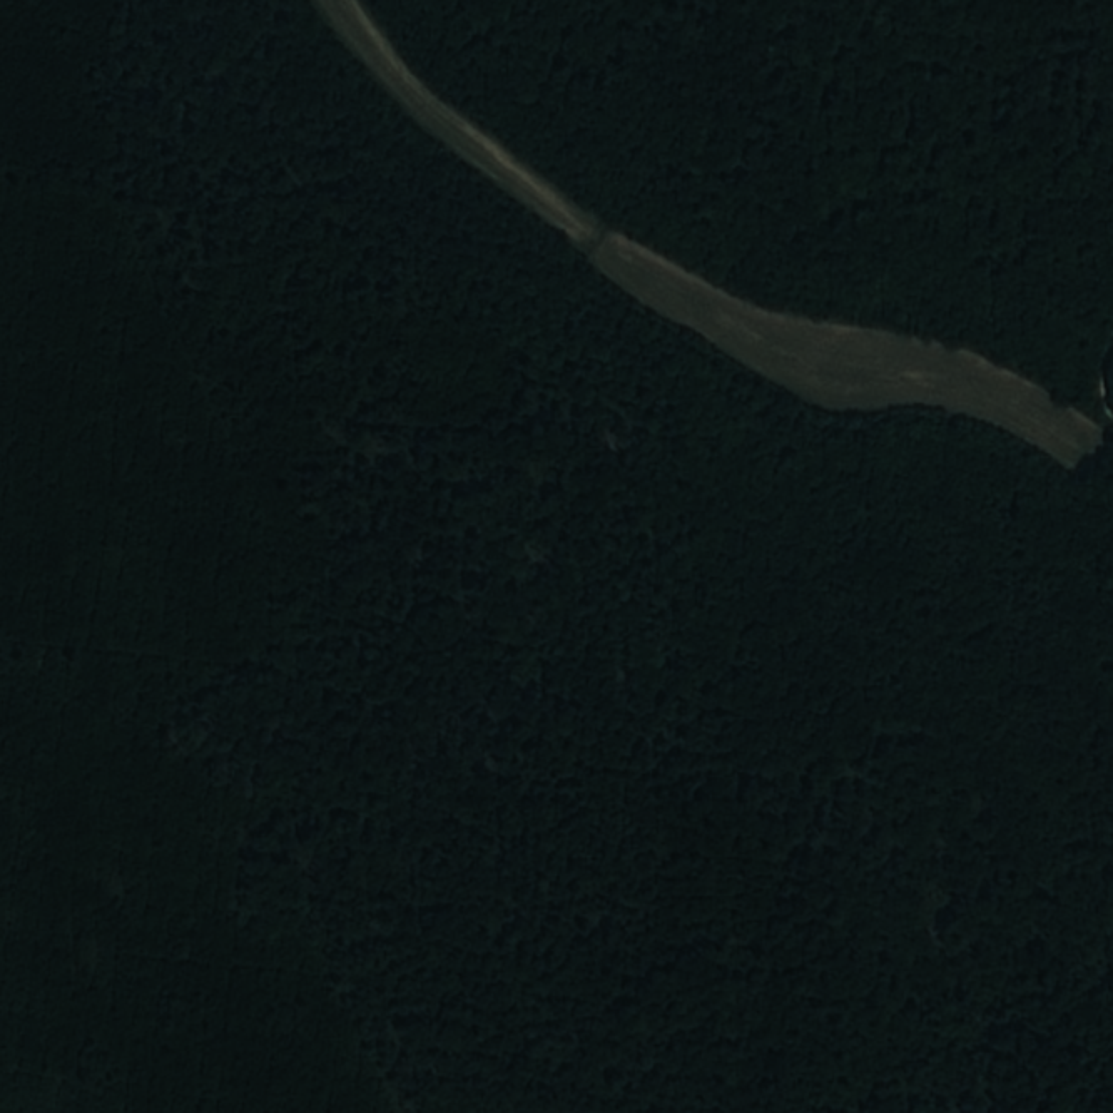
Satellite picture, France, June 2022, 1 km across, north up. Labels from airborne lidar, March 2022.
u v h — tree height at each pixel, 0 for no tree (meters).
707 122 18
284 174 24
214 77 0
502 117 14
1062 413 0
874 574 23
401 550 21
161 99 21
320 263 8
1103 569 17
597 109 23
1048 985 22
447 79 18
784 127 19
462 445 18
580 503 22
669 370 14
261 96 27
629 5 20
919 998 19
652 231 18
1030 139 17
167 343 6
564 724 23
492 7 20
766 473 19
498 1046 11
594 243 0
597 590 21
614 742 21
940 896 25
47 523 6
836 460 17
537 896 25
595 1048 21
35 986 7
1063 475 14
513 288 24
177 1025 19
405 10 18
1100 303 19
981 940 19
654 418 25
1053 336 18
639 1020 26
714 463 21
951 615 21
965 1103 23
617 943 15
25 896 5
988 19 21
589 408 26
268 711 27
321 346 18
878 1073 20
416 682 24
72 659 19
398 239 25
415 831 19
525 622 21
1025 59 21
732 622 20
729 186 22
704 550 22
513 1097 17
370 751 23
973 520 20
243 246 26
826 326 0
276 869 21
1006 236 21
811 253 16
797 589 24
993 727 22
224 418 9
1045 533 20
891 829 20
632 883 14
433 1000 14
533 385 25
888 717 21
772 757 27
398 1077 16
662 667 24
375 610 18
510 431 20
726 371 14
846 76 19
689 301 0
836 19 18
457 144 0
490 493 23
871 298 16
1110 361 19
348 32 0
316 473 23
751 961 6
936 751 22
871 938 20
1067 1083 27
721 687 25
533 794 9
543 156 19
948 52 19
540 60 22
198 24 0
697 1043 20
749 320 0
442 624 23
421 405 6
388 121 19
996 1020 18
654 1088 20
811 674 21
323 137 18
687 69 22
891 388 0
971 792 20
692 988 20
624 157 20
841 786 22
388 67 0
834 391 0
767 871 7
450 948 10
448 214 24
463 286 18
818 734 24
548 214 0
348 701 22
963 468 19
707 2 23
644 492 22
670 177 21
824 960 21
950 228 17
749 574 22
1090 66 24
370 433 9
